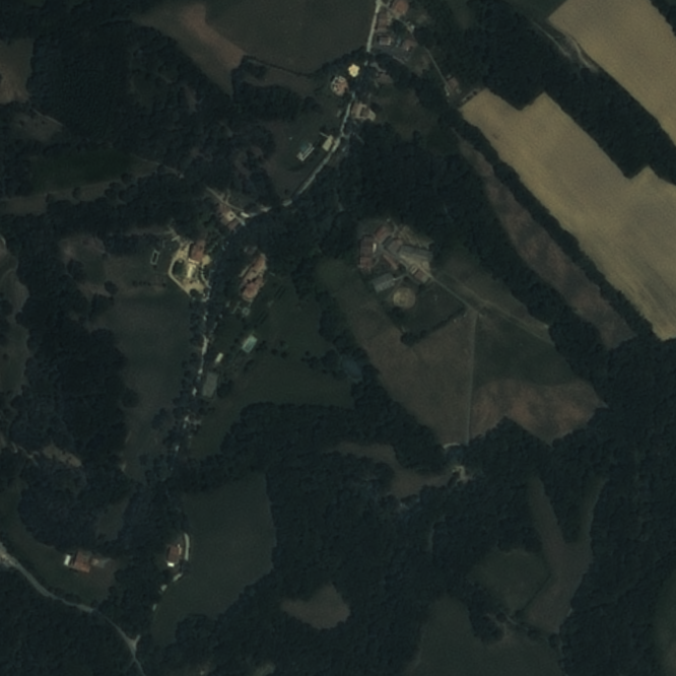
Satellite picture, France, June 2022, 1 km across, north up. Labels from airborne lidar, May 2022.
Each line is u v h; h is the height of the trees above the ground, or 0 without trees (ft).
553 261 0
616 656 79
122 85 54
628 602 63
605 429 89
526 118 0
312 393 0
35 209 0
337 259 52
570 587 0
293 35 0
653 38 0
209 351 26
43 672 54
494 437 57
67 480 39
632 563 76
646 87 0
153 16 0
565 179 0
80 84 88
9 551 36
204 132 27
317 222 90
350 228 66
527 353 0
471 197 96
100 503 62
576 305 0
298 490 79
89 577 0
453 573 48
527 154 0
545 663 0
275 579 77
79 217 66
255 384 0
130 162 0
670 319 0
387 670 39
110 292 49
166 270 0
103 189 0
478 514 71
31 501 84
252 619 67
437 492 68
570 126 0
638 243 0
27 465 46
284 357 42
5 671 64
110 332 31
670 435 63
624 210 0
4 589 53
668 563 66
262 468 72
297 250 77
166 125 60
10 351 0
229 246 69
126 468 0
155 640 40
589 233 0
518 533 72
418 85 80
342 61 27
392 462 0
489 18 57
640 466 38
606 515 57
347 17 0
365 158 80
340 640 69
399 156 85
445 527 67
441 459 73
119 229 61
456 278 0
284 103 56
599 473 65
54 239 47
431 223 80
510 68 82
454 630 0
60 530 71
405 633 86
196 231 54
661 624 0
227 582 0
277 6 0
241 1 0
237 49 0
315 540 92
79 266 42
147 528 66
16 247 65
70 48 75
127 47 35
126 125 42
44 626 54
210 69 0
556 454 69
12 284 0
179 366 0
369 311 0
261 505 0
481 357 0
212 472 81
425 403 0
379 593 50
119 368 75
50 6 64
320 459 89
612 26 0
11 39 67
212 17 0
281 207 69
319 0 0
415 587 83
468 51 24
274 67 20
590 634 70
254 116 74
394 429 96
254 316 0
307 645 52
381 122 0
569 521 37
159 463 57
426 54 0
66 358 64
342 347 58
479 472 59
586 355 88
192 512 0
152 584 77
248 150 27
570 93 82
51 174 0
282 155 0
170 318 0
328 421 88
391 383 0
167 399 0
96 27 56
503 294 0
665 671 0
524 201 68
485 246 89
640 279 0
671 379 46
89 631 56
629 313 71
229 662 60
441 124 26
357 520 87
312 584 75
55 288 83
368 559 94
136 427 0
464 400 0
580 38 0
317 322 0
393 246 0
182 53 54
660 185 0
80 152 41
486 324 0
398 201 88
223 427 0
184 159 69
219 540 0
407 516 65
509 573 0
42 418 65
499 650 0
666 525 56
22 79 0
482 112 0
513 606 0
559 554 0
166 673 44
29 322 55
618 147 64
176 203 60
